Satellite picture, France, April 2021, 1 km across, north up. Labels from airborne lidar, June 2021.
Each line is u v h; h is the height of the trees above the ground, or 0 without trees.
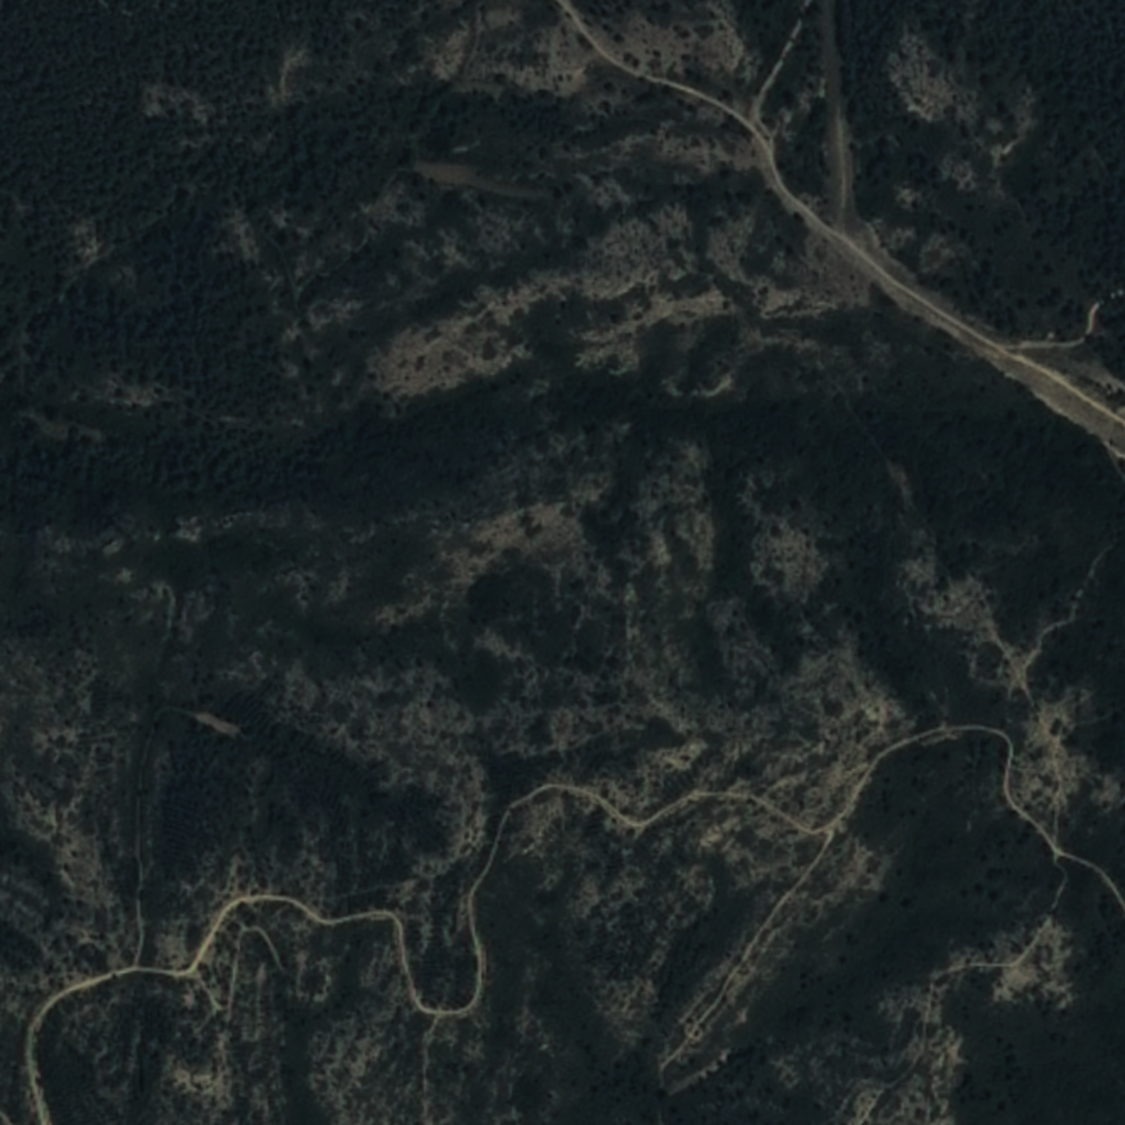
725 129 8
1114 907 8
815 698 0
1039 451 5
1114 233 12
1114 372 11
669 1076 0
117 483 6
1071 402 0
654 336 0
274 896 0
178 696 0
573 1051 0
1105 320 8
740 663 0
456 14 8
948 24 8
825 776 0
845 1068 0
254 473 13
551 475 0
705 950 6
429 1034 0
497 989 0
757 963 0
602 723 0
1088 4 9
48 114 13
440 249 0
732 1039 0
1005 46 13
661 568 0
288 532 0
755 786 0
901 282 0
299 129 12
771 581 0
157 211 13
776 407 6
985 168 0
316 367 13
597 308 0
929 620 0
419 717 0
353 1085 0
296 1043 0
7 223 12
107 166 11
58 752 0
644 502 0
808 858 0
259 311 8
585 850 0
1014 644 0
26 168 12
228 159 11
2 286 12
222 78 7
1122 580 7
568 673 0
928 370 0
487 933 0
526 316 0
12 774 0
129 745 0
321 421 0
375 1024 0
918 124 9
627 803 0
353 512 0
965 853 0
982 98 0
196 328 12
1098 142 9
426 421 5
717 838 0
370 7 8
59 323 16
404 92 10
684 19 0
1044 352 0
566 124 7
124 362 11
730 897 0
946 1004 0
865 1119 0
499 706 0
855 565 9
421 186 10
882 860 0
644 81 7
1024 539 0
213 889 0
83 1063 7
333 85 7
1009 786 0
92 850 0
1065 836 0
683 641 0
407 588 0
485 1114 0
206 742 9
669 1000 11
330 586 0
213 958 0
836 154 0
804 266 0
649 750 0
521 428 0
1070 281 0
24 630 7
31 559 0
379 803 8
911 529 0
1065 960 0
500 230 0
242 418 9
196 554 0
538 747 0
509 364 0
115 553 0
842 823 0
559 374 0
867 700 0
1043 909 0
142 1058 8
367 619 0
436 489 0
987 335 0
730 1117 0
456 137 7
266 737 10
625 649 0
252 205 10
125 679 0
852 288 0
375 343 0
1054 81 12
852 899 0
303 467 8
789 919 0
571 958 0
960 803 0
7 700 0
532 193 0
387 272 0
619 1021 0
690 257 0
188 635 0
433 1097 0
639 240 0
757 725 0
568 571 0
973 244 12
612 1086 6
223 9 11
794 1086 0
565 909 0
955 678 0
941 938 0
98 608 0
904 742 0
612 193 0
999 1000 0
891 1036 0
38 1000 0
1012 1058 6
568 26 0
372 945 0
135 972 0
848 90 10
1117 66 9
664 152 0
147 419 9
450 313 0
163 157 10
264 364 10
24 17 13
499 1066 0
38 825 0
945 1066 0
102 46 11
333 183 8
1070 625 0
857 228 0
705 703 0
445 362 0
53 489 10
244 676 0
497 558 0
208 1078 0
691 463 0
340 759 8
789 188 0
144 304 0
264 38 9
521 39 0
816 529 0
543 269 0
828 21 0
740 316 0
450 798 0
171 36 11
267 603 0
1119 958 8
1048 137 6
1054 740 0
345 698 0
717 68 0
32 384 7
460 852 0
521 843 0
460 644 0
